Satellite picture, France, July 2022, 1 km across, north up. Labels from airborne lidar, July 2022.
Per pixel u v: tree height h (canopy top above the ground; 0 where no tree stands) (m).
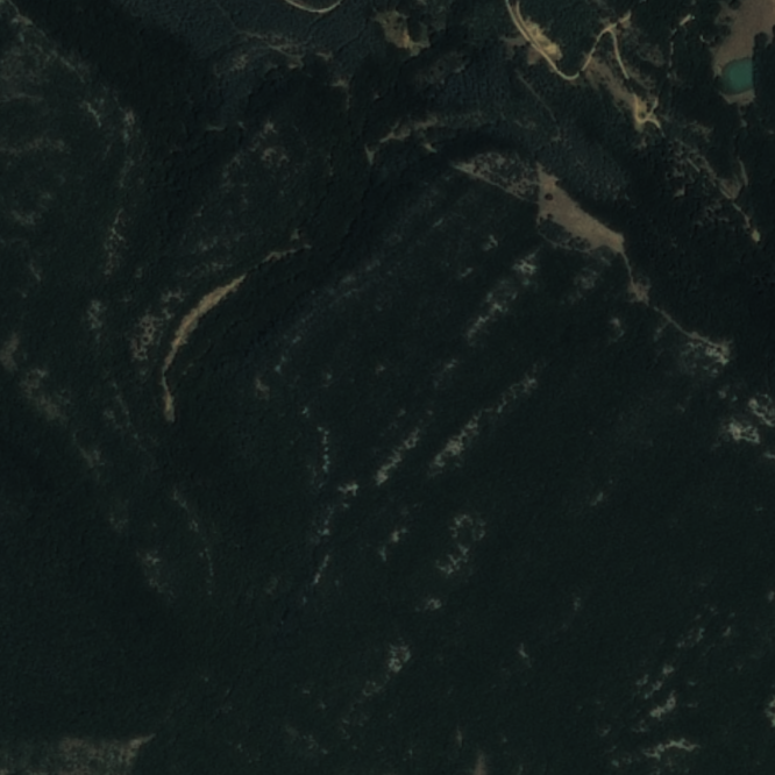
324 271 14
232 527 22
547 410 6
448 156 11
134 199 6
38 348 10
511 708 6
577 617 6
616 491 6
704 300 19
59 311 11
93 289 13
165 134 21
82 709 9
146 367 7
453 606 9
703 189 14
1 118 7
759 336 16
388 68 13
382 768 10
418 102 11
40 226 8
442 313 7
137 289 15
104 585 12
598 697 5
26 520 6
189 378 10
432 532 7
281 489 11
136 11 17
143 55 10
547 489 9
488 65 15
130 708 6
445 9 6
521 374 7
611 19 7
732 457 9
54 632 7
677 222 20
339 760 11
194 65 11
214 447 18
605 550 7
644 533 8
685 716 7
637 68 6
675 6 17
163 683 11
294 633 6
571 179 12
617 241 0
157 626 15
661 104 8
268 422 8
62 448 7
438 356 6
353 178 16
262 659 8
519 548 7
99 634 8
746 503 7
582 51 6
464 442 6
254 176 6
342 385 9
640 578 8
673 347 5
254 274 18
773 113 9
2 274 9
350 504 7
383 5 13
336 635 9
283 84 8
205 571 8
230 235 7
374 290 6
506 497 8
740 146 15
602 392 7
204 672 8
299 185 11
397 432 6
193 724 10
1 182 6
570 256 6
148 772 8
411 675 10
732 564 8
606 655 8
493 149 10
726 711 8
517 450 9
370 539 6
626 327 7
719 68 0
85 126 6
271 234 14
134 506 7
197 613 12
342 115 12
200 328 13
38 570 7
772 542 8
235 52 12
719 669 7
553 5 10
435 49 18
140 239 13
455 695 11
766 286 28
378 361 9
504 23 7
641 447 6
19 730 10
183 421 15
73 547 14
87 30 22
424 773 9
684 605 6
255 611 13
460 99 16
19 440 12
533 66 9
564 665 8
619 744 5
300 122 9
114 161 9
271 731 6
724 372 8
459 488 9
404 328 8
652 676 5
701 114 16
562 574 8
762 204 19
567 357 9
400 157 13
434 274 6
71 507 15
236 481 15
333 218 22
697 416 6
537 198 8
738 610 5
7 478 10
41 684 10
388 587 6
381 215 15
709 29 14
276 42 8
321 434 7
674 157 17
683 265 18
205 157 14
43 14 17
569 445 8
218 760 9
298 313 5
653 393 6
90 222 7
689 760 6
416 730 9
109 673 13
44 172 5
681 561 8
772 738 5
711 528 8
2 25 8
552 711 9
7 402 11
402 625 6
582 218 0
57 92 9
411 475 7
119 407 17
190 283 7
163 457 14
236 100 15
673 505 8
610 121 13
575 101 9
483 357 9
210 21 16
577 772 8
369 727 8
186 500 6
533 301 12
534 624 7
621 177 14
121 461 9
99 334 6
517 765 6
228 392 7
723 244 19
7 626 10
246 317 19
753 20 0
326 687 6
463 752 8
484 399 8
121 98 11
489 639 8
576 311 8
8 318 8
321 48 8
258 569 11
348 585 7
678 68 11
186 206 14
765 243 14
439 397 7
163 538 7
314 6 13
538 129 6
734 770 10
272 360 6
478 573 8
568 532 7
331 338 8
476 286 8
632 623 7
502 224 7
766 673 8
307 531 5
